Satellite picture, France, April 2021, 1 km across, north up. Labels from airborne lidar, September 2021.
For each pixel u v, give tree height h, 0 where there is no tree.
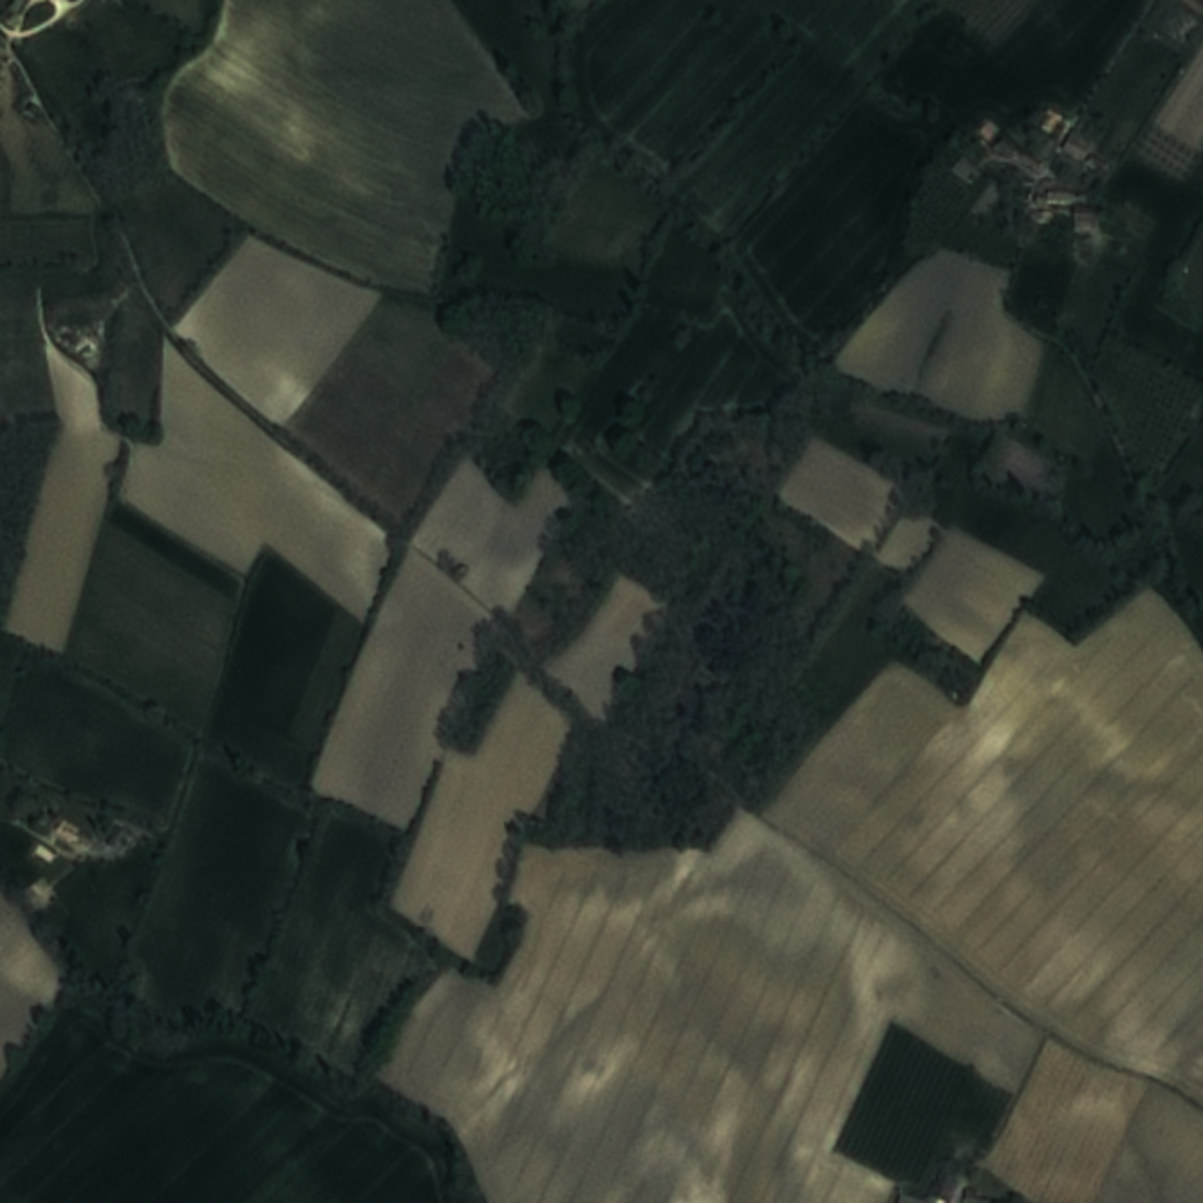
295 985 0
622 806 13
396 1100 13
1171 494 0
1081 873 0
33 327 0
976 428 8
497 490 16
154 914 0
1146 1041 0
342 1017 0
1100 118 8
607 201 0
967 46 0
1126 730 0
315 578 0
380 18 0
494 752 0
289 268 0
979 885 0
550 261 18
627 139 0
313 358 0
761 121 0
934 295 0
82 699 0
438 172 0
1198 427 12
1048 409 0
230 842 0
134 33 0
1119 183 0
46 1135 0
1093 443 0
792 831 0
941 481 16
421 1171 0
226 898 0
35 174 0
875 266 0
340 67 0
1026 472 0
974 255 10
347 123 0
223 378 0
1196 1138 0
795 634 10
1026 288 0
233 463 0
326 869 0
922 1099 0
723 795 11
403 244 0
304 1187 0
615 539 20
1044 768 0
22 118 0
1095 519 0
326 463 10
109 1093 0
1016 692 0
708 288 0
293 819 0
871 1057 0
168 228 0
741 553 18
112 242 10
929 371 0
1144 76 0
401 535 8
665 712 9
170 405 0
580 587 0
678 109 0
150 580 0
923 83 0
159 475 0
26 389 0
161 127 18
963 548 0
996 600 0
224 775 0
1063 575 0
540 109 25
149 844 10
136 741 0
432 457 0
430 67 0
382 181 0
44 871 0
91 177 15
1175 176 0
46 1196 0
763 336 12
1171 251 0
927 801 0
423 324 0
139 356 0
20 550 18
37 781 8
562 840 16
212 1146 0
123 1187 0
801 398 21
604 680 0
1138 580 14
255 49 0
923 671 13
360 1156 0
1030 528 0
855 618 0
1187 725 0
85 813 0
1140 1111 0
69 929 0
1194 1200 0
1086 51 0
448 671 0
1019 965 0
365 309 0
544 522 0
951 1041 0
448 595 0
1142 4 0
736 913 0
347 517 0
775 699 19
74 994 20
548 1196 0
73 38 0
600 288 0
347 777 0
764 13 0
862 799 0
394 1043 19
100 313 0
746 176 0
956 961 0
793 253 0
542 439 21
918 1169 0
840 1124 0
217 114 0
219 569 0
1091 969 0
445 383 0
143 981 0
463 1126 0
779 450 18
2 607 19
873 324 0
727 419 15
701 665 10
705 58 0
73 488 0
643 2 0
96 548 0
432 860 0
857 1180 0
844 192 0
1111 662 0
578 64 0
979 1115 0
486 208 22
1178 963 0
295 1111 0
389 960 0
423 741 0
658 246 14
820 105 0
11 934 0
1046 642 0
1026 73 0
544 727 0
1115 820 0
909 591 13
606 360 14
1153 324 0
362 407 0
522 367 24
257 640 0
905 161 0
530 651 16
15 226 0
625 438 18
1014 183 15
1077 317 0
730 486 10
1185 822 0
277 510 0
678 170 16
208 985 0
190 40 16
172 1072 0
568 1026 0
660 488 12
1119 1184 0
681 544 18
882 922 0
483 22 0
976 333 0
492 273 0
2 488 21
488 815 0
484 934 0
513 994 0
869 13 0
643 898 0
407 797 0
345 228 0
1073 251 0
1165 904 0
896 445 0
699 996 0
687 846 14
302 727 0
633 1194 0
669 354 0
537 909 0
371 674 0
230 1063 0
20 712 0
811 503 0
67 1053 0
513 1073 0
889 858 0
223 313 0
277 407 0
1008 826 0
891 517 12
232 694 0
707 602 11
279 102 0
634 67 0
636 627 0
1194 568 0
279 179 0
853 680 0
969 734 0
